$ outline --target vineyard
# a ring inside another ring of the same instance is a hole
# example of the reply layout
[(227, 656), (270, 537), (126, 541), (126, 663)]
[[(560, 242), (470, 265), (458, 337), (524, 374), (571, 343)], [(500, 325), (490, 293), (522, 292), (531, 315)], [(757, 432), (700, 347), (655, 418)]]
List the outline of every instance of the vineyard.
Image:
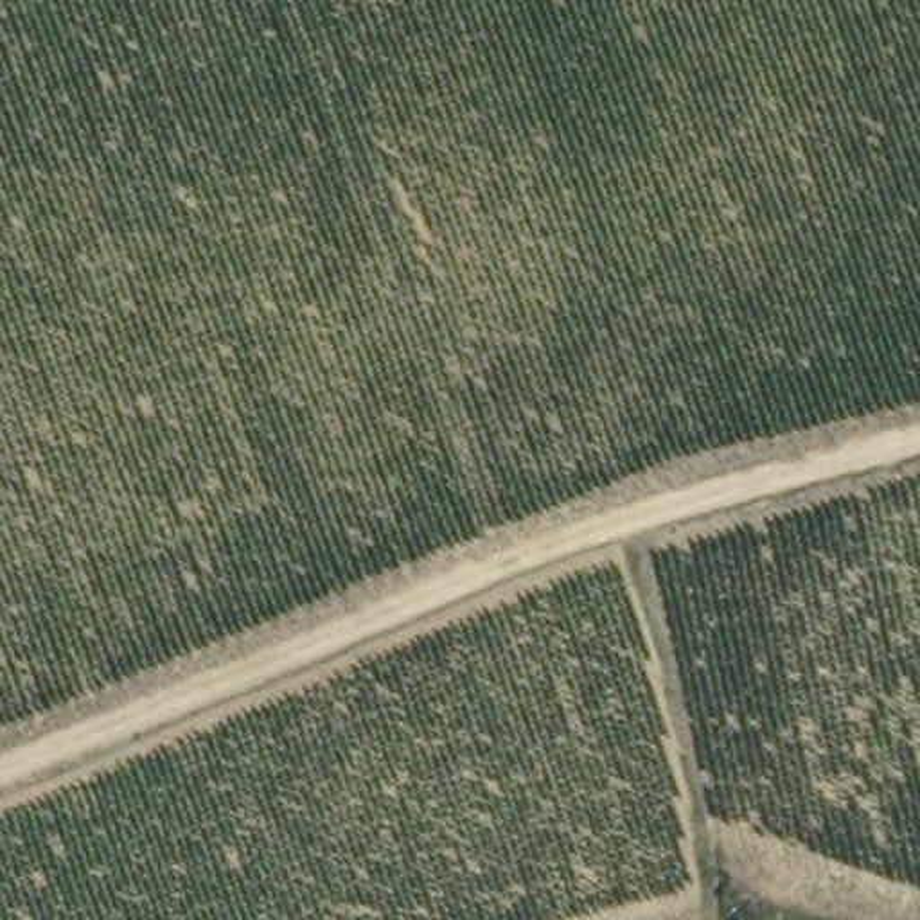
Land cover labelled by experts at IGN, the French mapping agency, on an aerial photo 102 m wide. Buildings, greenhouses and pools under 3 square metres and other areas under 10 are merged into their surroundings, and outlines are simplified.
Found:
[(413, 618), (403, 618), (388, 629), (334, 647), (313, 661), (266, 676), (244, 690), (212, 697), (180, 715), (133, 730), (119, 740), (108, 740), (101, 748), (90, 748), (83, 755), (61, 758), (47, 769), (0, 783), (0, 920), (571, 920), (625, 902), (672, 895), (686, 884), (676, 819), (676, 780), (665, 758), (665, 726), (658, 715), (658, 701), (647, 679), (647, 643), (640, 636), (622, 575), (615, 568), (618, 561), (625, 561), (629, 539), (604, 539), (564, 557), (521, 568), (438, 607), (428, 607)]
[(708, 812), (726, 823), (744, 819), (758, 834), (798, 841), (827, 859), (920, 888), (920, 474), (873, 485), (870, 496), (859, 500), (837, 496), (812, 510), (769, 518), (758, 532), (740, 525), (708, 539), (694, 539), (679, 550), (665, 546), (650, 561), (661, 589), (665, 622), (672, 633), (676, 676), (683, 686), (683, 708), (690, 715), (694, 755), (697, 765), (712, 773), (712, 787), (704, 787)]
[(859, 435), (920, 424), (920, 0), (0, 0), (0, 755), (40, 737), (50, 737), (90, 715), (111, 712), (158, 686), (173, 686), (194, 672), (237, 661), (270, 643), (291, 640), (295, 633), (309, 633), (331, 618), (359, 611), (370, 600), (381, 600), (385, 593), (399, 593), (406, 582), (417, 582), (420, 568), (428, 575), (442, 575), (453, 571), (453, 564), (460, 561), (482, 561), (485, 553), (503, 550), (525, 535), (514, 525), (521, 518), (535, 532), (546, 532), (557, 525), (571, 525), (586, 514), (604, 514), (611, 507), (629, 507), (647, 496), (661, 496), (668, 489), (686, 489), (762, 464), (791, 464)]

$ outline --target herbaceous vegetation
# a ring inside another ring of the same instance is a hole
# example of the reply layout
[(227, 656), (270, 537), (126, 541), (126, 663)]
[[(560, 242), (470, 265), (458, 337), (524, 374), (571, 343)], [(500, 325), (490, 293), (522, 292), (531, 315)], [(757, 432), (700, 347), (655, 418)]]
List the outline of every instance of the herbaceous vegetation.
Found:
[(895, 464), (845, 471), (783, 492), (751, 496), (740, 503), (672, 518), (629, 539), (625, 561), (618, 561), (615, 568), (622, 575), (640, 636), (647, 643), (647, 679), (658, 701), (658, 715), (665, 726), (665, 758), (676, 780), (676, 819), (686, 884), (672, 895), (625, 902), (571, 920), (920, 920), (920, 888), (827, 859), (798, 841), (758, 834), (744, 819), (726, 823), (708, 812), (704, 787), (712, 787), (712, 773), (697, 765), (694, 755), (690, 715), (683, 708), (683, 686), (676, 676), (672, 633), (665, 622), (661, 589), (650, 561), (665, 546), (679, 550), (694, 539), (708, 539), (740, 525), (758, 532), (769, 518), (812, 510), (837, 496), (859, 500), (870, 496), (873, 485), (920, 474), (920, 453), (902, 456)]

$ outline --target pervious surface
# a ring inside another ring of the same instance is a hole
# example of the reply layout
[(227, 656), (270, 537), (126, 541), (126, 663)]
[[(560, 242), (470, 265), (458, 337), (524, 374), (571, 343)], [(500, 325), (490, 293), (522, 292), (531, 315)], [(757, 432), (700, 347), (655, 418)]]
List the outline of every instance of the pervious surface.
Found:
[(385, 593), (381, 600), (370, 600), (359, 611), (331, 618), (309, 633), (295, 633), (291, 640), (270, 643), (237, 661), (194, 672), (173, 686), (158, 686), (111, 712), (90, 715), (50, 737), (40, 737), (0, 755), (0, 783), (47, 769), (61, 758), (83, 755), (90, 748), (101, 748), (108, 740), (119, 740), (133, 730), (180, 715), (212, 697), (244, 690), (266, 676), (313, 661), (334, 647), (388, 629), (403, 618), (413, 618), (428, 607), (438, 607), (521, 568), (564, 557), (604, 539), (629, 539), (672, 518), (740, 503), (751, 496), (783, 492), (845, 471), (895, 464), (902, 456), (920, 453), (920, 424), (859, 435), (791, 464), (762, 464), (686, 489), (668, 489), (661, 496), (647, 496), (629, 507), (611, 507), (604, 514), (586, 514), (571, 525), (557, 525), (546, 532), (535, 532), (521, 518), (514, 525), (525, 535), (503, 550), (485, 553), (482, 561), (460, 561), (453, 564), (453, 571), (442, 575), (428, 575), (420, 568), (417, 582), (406, 582), (399, 593)]

